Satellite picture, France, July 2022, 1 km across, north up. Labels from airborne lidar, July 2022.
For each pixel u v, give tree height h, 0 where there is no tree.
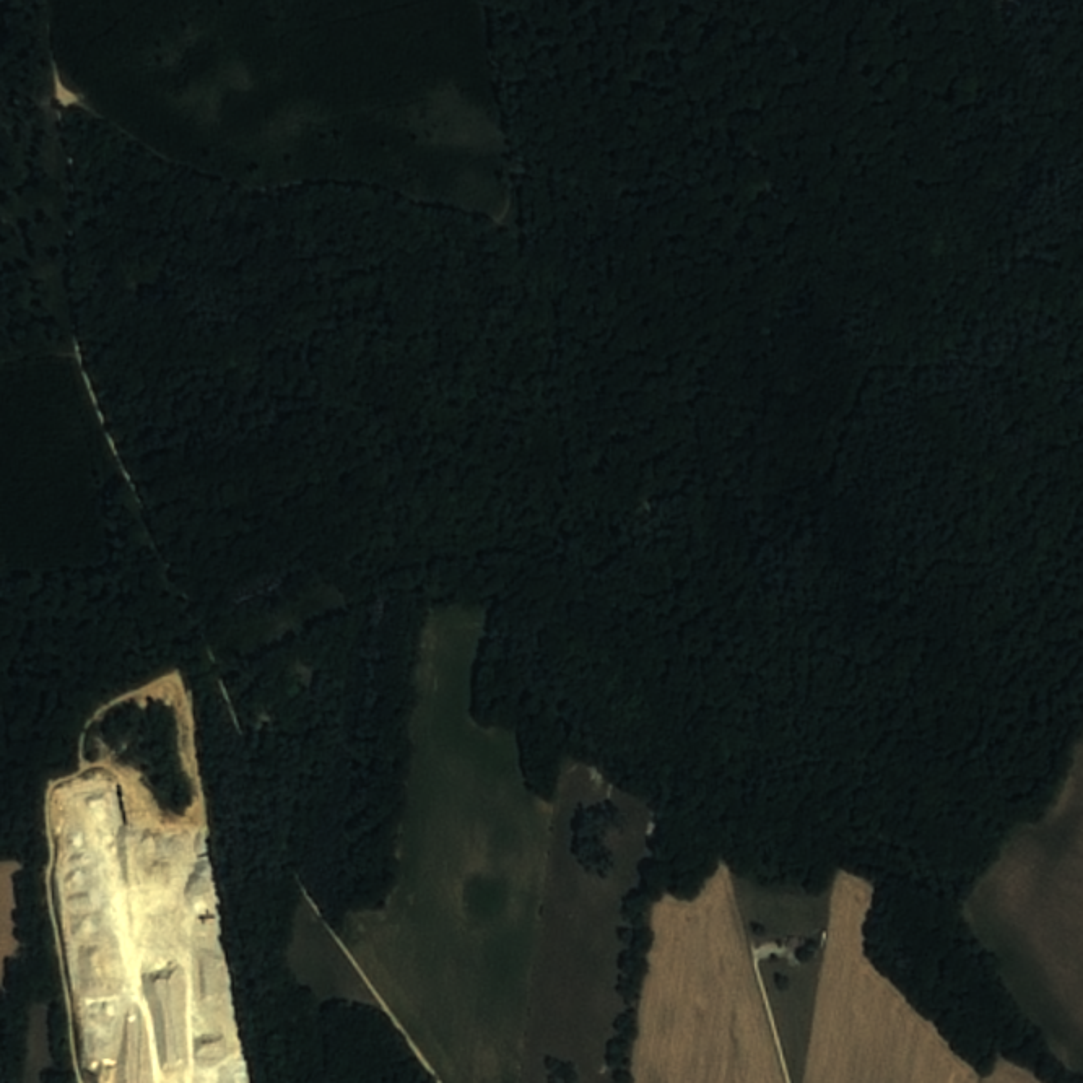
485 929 0
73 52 8
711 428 23
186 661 16
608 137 24
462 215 19
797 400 23
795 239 29
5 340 26
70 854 0
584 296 27
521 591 23
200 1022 0
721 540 21
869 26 29
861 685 23
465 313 22
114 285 21
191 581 26
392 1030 16
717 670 23
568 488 18
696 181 24
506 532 16
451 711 0
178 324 24
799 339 23
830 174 26
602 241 24
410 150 7
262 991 14
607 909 0
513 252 21
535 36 24
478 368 18
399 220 23
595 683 19
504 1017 0
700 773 23
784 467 21
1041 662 20
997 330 18
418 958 0
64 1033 13
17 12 26
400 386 8
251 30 6
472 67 8
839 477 24
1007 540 20
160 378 16
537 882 0
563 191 21
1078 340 21
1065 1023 0
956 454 18
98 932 0
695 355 24
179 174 15
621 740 23
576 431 20
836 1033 0
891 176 27
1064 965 0
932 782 25
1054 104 22
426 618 18
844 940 0
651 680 24
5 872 0
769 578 39
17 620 22
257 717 16
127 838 0
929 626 18
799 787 22
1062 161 26
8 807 22
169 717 16
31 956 18
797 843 26
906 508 19
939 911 26
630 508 21
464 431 9
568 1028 0
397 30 8
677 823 26
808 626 22
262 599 22
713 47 24
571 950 0
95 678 21
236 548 29
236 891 21
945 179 24
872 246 24
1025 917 0
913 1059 0
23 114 24
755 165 29
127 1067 0
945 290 18
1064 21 21
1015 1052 19
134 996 0
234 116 6
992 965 25
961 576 18
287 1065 16
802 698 18
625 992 13
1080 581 17
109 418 23
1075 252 19
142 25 5
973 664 18
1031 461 18
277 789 23
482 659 14
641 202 22
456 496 22
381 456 20
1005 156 25
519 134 21
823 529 25
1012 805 22
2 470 6
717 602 21
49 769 23
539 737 27
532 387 18
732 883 0
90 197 16
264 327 24
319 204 20
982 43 27
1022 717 20
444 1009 0
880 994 0
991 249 19
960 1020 23
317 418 29
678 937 0
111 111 6
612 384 22
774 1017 0
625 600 26
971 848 21
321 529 23
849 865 21
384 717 24
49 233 24
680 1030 0
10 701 22
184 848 0
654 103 25
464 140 0
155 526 27
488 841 0
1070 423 15
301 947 0
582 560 22
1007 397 19
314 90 6
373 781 23
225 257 23
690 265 28
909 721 19
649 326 29
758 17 27
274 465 23
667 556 24
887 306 21
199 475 24
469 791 0
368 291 15
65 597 21
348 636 19
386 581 21
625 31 30
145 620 28
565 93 23
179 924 0
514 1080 0
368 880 21
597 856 12
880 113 28
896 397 19
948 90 6
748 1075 0
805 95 28
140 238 22
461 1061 0
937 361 17
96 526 6
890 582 16
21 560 6
